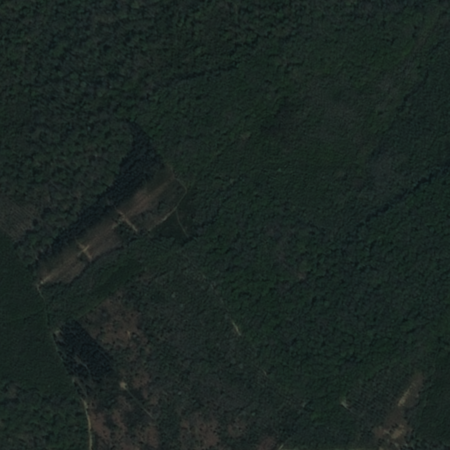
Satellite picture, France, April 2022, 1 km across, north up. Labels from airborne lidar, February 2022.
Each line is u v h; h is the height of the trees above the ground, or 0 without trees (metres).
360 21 24
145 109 25
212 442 0
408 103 20
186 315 9
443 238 25
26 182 24
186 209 0
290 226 26
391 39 28
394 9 32
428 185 20
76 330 22
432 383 12
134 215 0
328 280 28
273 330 23
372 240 23
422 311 21
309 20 27
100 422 0
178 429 6
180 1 9
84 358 23
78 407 26
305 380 25
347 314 27
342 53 23
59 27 33
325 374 24
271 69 25
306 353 23
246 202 23
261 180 6
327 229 11
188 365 23
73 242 23
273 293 17
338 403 21
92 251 0
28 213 0
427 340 24
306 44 30
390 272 29
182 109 27
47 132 23
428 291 22
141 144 24
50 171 22
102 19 26
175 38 22
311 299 29
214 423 0
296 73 26
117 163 23
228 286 21
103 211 24
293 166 11
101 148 20
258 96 25
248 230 25
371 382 15
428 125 10
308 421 18
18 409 27
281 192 12
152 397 9
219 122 17
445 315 22
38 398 28
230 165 11
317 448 8
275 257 26
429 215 25
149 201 0
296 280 23
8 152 22
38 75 19
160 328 7
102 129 24
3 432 22
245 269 25
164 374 9
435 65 11
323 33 30
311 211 13
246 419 11
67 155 22
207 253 22
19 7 24
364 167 11
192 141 24
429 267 27
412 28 25
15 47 28
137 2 25
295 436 19
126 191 26
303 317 22
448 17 20
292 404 13
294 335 27
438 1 29
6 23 27
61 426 28
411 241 29
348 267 29
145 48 21
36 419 26
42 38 27
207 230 25
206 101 27
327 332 27
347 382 21
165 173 22
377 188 12
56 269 0
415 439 13
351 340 25
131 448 0
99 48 25
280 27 24
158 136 18
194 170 21
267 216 22
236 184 16
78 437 21
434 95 10
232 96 22
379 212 10
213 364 16
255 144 12
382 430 0
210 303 9
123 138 22
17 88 9
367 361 20
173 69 21
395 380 11
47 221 22
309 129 10
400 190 11
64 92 31
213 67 9
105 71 23
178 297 12
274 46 25
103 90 23
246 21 27
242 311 20
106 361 23
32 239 23
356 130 10
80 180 24
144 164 26
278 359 25
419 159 8
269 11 23
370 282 25
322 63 24
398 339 25
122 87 28
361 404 10
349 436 12
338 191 9
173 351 12
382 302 28
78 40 12
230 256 25
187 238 0
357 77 20
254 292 23
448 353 23
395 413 0
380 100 11
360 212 10
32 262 24
